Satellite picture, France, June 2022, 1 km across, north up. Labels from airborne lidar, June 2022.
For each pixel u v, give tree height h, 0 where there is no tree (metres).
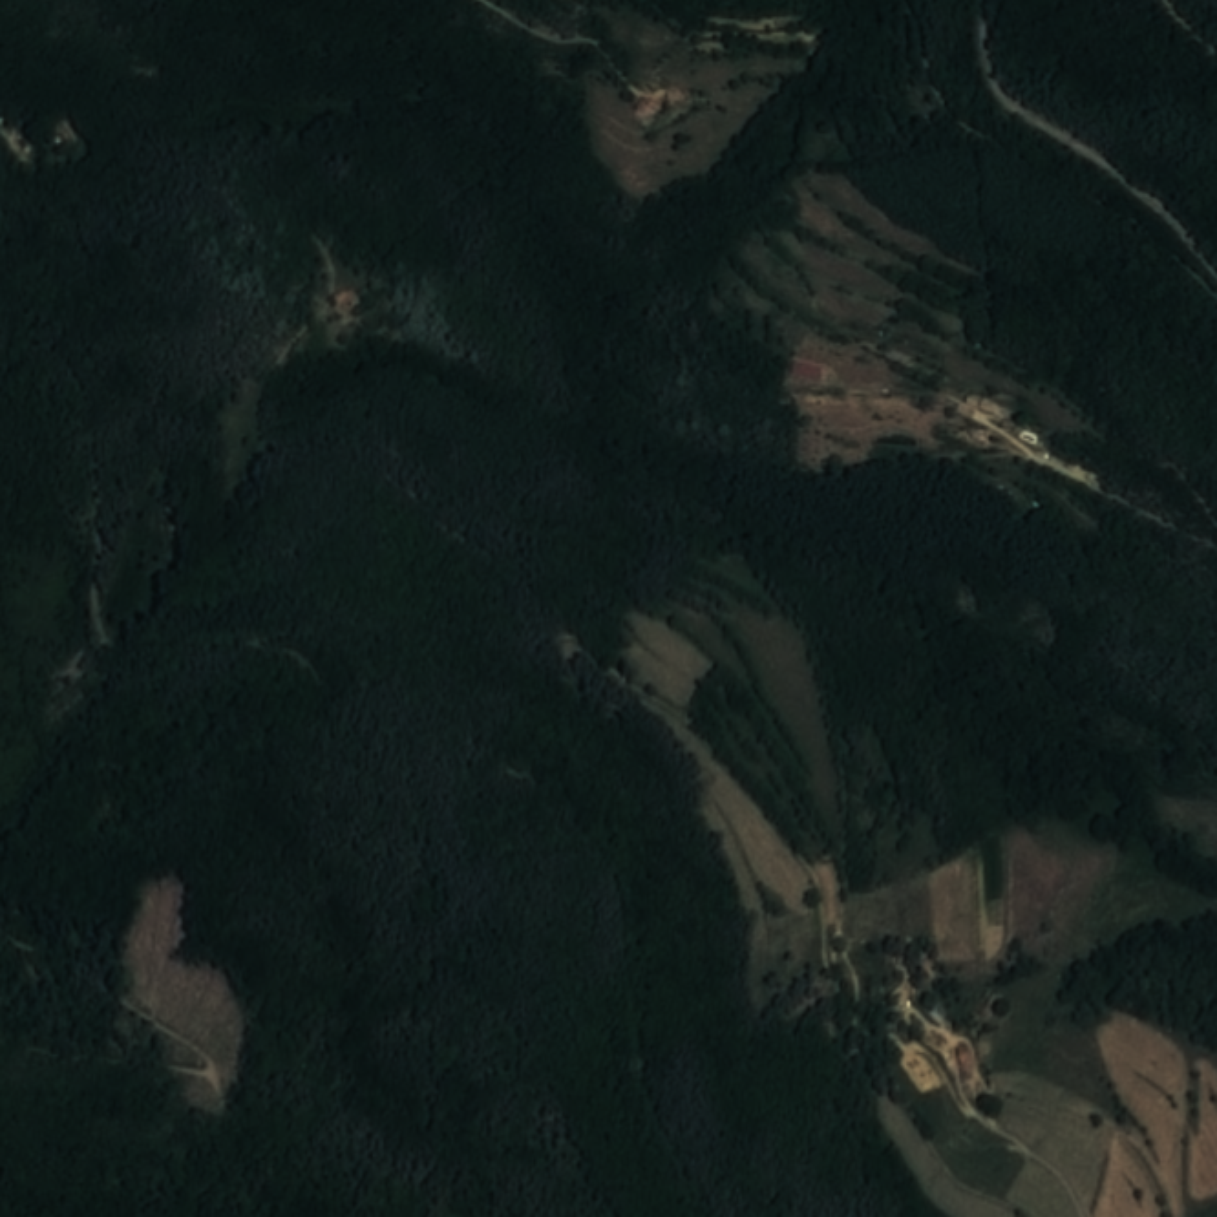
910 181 24
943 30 18
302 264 13
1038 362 13
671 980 23
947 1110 0
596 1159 21
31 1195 8
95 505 10
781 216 10
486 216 23
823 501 25
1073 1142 0
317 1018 12
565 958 20
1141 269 26
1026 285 20
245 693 13
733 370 9
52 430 14
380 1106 22
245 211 11
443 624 19
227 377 14
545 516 19
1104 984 18
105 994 16
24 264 20
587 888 17
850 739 17
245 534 18
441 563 19
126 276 17
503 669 21
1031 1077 0
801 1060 17
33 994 16
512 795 22
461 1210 8
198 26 8
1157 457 14
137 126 23
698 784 15
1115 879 0
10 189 18
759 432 16
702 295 9
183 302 18
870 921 0
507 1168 20
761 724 12
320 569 14
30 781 6
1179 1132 0
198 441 18
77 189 18
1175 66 16
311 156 18
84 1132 6
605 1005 21
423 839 19
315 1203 13
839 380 0
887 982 10
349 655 22
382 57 17
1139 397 12
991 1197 0
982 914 0
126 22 15
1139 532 9
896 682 17
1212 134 28
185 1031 0
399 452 7
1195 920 0
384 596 17
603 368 22
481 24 6
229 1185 11
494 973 24
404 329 14
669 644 0
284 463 26
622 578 17
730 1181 21
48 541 7
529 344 17
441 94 12
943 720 17
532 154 17
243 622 23
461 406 22
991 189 22
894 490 26
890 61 14
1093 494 8
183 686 21
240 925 16
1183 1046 0
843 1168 20
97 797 19
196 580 24
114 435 20
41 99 15
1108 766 19
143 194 20
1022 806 9
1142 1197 12
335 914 19
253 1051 15
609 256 13
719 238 13
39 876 20
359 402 22
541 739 21
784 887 0
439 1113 18
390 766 25
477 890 21
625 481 26
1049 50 15
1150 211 13
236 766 21
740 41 13
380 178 11
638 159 0
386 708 21
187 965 23
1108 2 16
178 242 21
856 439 0
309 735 19
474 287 17
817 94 14
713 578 11
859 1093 18
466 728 20
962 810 10
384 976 19
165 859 18
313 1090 8
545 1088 21
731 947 19
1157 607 14
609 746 18
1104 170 17
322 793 23
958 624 13
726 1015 21
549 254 12
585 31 12
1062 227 22
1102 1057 0
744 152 13
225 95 21
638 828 22
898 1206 18
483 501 16
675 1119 25
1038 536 21
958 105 12
